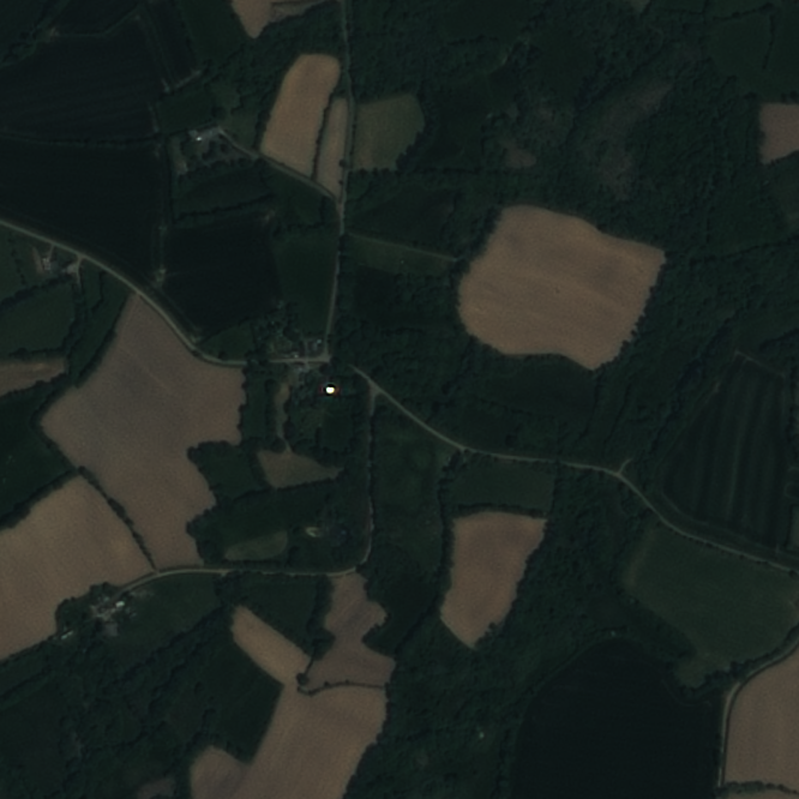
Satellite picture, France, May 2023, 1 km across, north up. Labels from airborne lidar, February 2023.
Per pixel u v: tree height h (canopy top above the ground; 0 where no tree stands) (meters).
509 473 0
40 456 0
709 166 9
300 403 9
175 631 0
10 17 0
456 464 15
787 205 0
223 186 0
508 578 0
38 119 0
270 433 11
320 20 16
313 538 0
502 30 0
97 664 9
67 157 0
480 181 12
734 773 0
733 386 0
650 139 11
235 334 0
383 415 15
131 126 0
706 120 9
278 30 13
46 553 0
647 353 11
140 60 0
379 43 9
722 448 0
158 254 0
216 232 0
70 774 6
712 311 7
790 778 0
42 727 0
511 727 7
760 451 0
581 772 0
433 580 13
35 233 0
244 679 0
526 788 0
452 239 14
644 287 0
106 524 0
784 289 7
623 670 0
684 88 6
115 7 0
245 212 11
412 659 7
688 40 13
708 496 0
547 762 0
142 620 0
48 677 9
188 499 0
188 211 0
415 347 14
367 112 0
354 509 0
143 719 18
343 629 0
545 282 0
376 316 0
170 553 0
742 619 0
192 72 0
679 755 0
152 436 0
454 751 10
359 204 8
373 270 0
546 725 0
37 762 0
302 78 0
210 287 0
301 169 0
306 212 0
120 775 0
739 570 0
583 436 9
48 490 7
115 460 0
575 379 0
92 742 9
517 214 0
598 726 0
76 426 0
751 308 11
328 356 0
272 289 0
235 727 0
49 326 0
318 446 8
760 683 0
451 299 12
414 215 0
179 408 0
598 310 0
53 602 0
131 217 0
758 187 9
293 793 0
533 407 0
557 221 0
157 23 0
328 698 0
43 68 0
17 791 9
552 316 0
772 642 0
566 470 13
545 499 0
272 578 7
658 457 9
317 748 0
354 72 15
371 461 13
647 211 14
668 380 0
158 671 9
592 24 9
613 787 0
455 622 0
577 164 14
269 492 13
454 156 0
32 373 0
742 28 0
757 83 0
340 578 0
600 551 17
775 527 0
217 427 0
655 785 0
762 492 0
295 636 8
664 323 19
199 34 0
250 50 7
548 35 0
